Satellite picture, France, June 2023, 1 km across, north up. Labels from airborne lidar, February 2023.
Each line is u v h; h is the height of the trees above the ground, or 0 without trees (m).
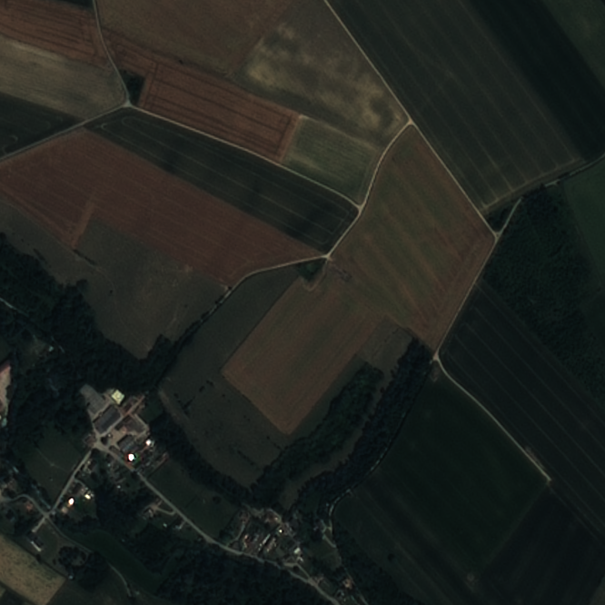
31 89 0
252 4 0
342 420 9
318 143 0
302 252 0
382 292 0
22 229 0
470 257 0
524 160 0
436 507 0
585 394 0
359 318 0
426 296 0
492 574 0
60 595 0
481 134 0
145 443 0
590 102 0
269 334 0
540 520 0
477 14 0
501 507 0
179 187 0
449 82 0
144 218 0
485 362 0
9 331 20
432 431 0
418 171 0
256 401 0
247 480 0
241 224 0
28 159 0
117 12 0
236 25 0
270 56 0
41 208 0
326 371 0
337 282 0
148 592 0
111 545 0
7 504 0
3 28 0
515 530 0
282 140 0
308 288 0
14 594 0
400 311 0
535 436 0
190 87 0
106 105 0
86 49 0
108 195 0
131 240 0
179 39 0
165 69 0
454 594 0
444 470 0
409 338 0
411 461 0
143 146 0
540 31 0
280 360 0
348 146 0
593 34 0
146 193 0
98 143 0
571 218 0
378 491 0
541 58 0
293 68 0
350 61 0
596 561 0
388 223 0
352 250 0
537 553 0
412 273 0
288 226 0
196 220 0
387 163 0
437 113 0
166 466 0
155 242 0
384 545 0
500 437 0
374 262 0
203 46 0
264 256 0
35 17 0
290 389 0
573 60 0
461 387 0
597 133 0
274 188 0
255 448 0
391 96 0
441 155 0
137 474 12
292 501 0
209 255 0
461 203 0
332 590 0
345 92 0
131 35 0
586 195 0
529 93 0
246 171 0
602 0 0
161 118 0
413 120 0
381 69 0
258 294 0
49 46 0
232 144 0
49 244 0
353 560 15
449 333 0
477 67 0
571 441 0
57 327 24
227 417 0
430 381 0
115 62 0
